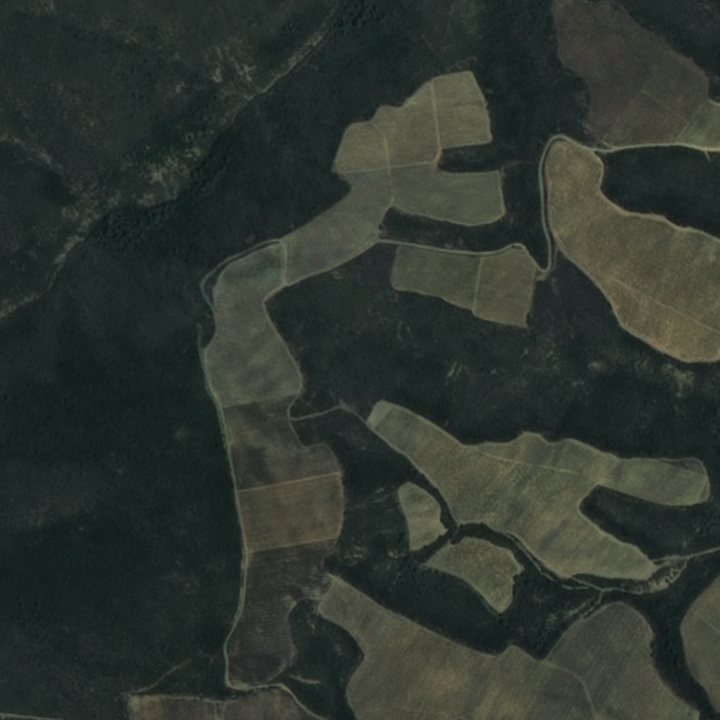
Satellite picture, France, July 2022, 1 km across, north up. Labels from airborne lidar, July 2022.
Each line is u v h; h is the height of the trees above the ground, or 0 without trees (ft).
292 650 0
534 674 0
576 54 0
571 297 0
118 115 0
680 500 0
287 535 0
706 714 21
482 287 0
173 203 25
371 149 0
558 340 0
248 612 0
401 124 0
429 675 0
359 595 0
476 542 0
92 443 21
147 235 36
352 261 0
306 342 0
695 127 0
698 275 0
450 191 0
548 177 0
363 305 0
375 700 0
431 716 0
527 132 20
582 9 0
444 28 0
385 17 35
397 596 18
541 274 0
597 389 20
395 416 0
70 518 21
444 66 0
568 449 0
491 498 0
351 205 0
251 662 0
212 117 35
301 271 0
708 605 0
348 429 0
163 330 0
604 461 0
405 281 0
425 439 0
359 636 0
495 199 0
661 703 0
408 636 0
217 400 0
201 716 0
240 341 0
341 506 0
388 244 0
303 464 0
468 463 0
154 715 0
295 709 0
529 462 0
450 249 0
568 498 0
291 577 0
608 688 0
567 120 0
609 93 0
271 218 0
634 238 0
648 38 0
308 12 23
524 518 0
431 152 0
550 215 0
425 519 0
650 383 20
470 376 0
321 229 0
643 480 0
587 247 0
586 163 0
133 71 22
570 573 0
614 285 0
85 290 0
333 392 0
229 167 18
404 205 0
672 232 0
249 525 0
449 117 0
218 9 0
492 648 22
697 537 21
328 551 0
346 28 38
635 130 0
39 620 24
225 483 18
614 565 0
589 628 0
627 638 0
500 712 0
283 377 0
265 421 0
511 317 0
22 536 23
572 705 0
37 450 18
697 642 0
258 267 0
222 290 0
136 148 26
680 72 0
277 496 0
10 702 0
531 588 30
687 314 0
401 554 22
